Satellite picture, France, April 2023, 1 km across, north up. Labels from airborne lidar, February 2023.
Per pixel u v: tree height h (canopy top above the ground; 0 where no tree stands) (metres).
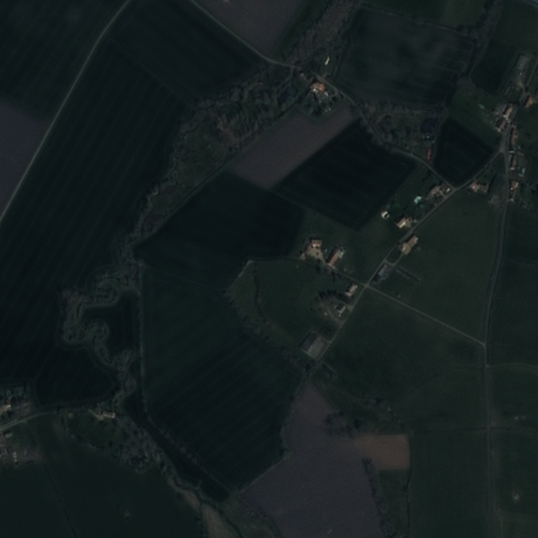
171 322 0
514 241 0
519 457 0
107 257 0
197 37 0
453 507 0
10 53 0
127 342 0
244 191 0
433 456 0
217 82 0
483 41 12
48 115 0
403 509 0
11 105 0
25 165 0
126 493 0
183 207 0
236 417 0
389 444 0
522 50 0
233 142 14
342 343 0
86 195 0
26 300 0
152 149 0
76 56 0
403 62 0
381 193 0
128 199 0
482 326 0
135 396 0
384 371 0
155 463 27
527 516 0
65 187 0
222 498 0
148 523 0
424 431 0
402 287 0
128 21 0
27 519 0
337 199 0
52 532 0
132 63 0
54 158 0
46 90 0
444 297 0
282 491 0
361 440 0
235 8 0
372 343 0
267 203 0
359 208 0
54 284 0
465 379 0
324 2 0
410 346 0
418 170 0
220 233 0
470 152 0
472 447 0
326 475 0
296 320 0
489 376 0
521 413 0
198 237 0
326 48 18
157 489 0
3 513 0
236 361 0
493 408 0
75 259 0
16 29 0
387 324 0
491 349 0
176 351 0
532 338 0
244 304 0
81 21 0
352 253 0
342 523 0
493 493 0
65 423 8
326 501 0
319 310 0
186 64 0
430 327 0
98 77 0
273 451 0
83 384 0
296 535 0
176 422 0
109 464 0
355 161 0
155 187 14
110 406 7
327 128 0
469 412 0
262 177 0
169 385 0
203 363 0
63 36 0
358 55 0
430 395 0
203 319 0
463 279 0
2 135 0
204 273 0
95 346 16
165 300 0
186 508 0
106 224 0
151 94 0
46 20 0
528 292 0
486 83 0
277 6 0
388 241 0
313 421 0
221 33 0
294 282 0
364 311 0
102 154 0
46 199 0
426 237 0
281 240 0
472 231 0
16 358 0
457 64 0
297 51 10
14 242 0
